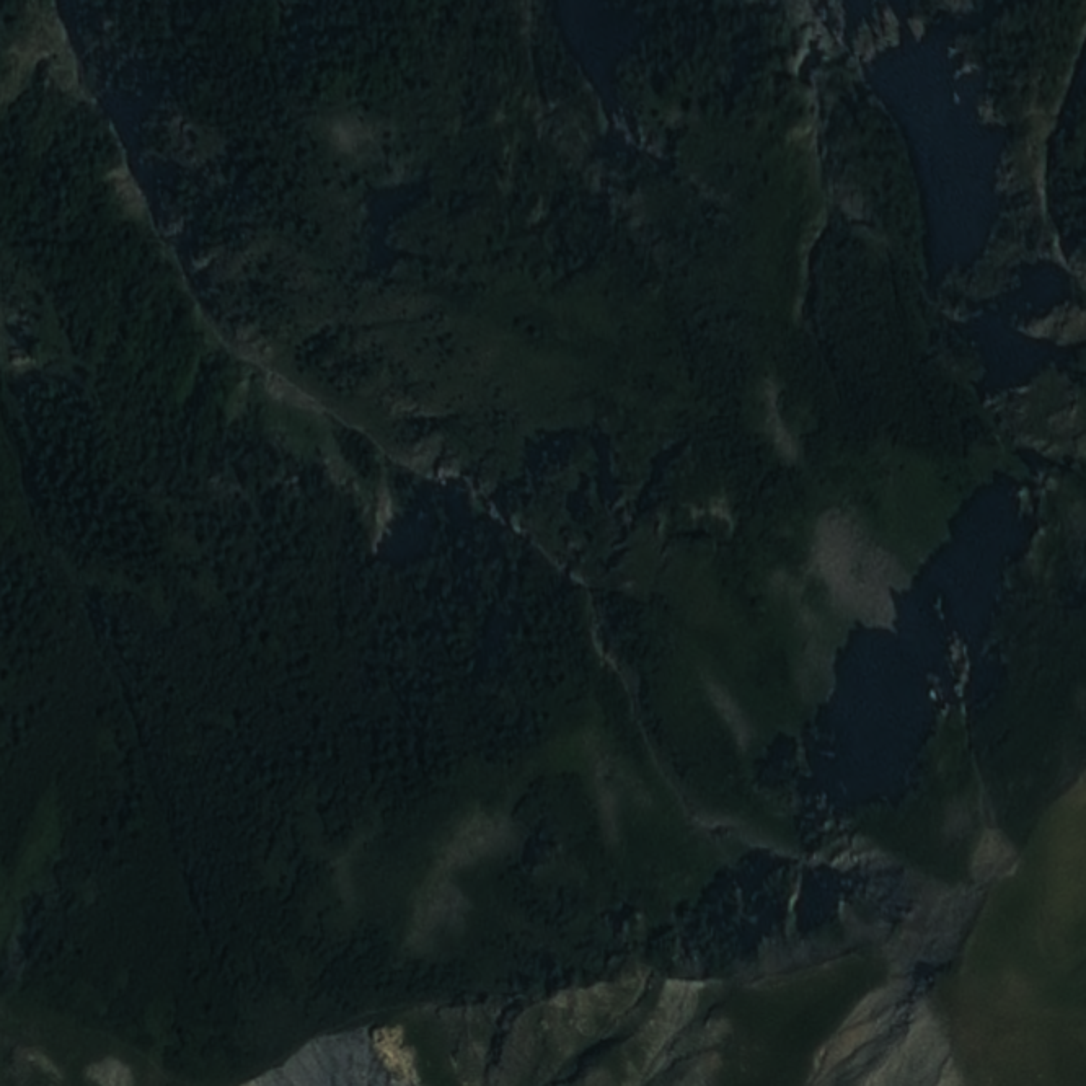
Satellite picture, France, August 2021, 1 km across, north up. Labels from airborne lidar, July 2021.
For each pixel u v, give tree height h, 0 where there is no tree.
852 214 0
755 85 7
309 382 0
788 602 0
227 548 7
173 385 9
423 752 7
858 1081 0
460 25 13
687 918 0
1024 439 0
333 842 7
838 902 0
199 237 16
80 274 10
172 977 6
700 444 6
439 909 0
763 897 0
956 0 0
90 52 8
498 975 0
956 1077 0
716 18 6
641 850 0
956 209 0
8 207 9
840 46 0
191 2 10
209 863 6
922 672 0
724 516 0
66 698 7
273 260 7
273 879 0
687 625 0
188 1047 7
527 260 7
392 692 6
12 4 13
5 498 7
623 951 0
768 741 0
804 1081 0
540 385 0
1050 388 0
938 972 0
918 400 5
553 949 0
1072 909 0
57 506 7
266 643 12
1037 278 0
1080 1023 0
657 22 9
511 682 7
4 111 9
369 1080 0
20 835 6
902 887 0
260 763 7
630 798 0
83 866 6
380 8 13
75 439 12
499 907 0
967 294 0
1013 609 0
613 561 0
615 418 0
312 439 0
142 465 8
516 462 0
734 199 0
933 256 6
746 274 0
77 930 6
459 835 0
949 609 0
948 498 0
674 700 0
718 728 0
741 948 0
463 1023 0
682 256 0
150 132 11
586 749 0
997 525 0
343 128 0
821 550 0
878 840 0
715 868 0
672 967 0
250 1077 0
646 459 0
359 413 0
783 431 0
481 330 0
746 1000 0
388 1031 0
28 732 7
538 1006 0
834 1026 0
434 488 8
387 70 9
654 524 0
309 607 8
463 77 8
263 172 5
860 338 6
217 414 8
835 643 0
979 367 0
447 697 7
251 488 14
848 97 10
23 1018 0
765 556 0
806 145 0
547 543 0
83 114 8
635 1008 0
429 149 0
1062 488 0
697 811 0
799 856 0
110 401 9
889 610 0
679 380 0
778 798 0
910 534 0
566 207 7
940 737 0
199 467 7
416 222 0
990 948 0
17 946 0
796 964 0
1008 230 0
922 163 0
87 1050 0
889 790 0
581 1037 0
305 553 8
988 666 0
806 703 0
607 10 12
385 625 10
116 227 8
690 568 0
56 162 10
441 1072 0
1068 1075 0
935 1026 0
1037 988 0
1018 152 0
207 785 7
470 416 0
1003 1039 0
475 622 6
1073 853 0
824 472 0
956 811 0
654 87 0
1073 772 0
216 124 8
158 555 9
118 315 9
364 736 8
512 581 8
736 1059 0
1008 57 6
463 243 0
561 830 0
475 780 0
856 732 0
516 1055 0
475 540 10
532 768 0
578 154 0
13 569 7
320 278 7
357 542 10
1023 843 0
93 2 9
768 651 0
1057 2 6
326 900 0
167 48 13
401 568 19
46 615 12
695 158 0
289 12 13
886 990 0
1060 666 0
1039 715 0
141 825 9
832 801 0
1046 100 8
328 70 10
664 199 0
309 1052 0
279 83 9
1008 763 0
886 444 0
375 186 0
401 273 0
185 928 5
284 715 11
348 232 0
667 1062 0
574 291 0
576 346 0
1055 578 0
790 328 7
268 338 9
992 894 0
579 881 0
